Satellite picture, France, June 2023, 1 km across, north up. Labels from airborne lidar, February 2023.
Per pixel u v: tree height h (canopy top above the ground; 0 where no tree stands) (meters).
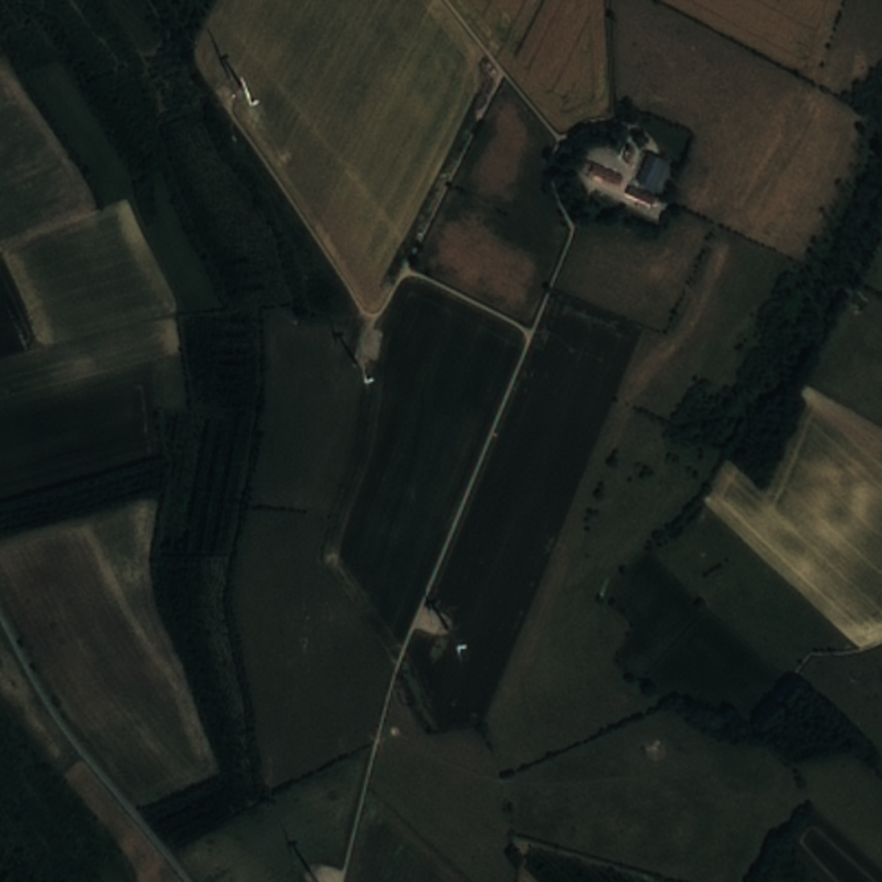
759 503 0
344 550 0
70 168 0
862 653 0
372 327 0
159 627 0
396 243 0
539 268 0
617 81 0
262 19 0
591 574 0
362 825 0
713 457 0
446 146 0
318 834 0
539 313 0
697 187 0
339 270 0
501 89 0
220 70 0
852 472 0
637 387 0
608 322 0
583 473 0
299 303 7
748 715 0
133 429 0
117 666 0
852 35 0
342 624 0
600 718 0
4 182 0
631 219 17
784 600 0
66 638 0
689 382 0
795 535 0
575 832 0
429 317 0
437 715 0
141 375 0
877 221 21
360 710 0
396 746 0
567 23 0
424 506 0
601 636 0
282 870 0
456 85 0
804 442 0
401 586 0
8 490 0
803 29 0
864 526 0
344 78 0
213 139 6
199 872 0
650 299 0
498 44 0
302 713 0
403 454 0
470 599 0
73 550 0
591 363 0
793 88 0
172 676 0
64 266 0
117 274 0
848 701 0
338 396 0
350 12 0
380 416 0
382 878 0
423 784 0
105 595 0
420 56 0
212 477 8
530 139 0
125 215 0
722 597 0
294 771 0
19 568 0
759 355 6
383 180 0
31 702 0
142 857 0
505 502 0
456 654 0
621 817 0
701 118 0
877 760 16
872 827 0
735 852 0
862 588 0
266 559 0
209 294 0
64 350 0
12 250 0
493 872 0
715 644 0
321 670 0
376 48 0
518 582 0
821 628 0
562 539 0
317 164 0
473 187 0
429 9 0
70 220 0
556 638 0
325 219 0
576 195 15
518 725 0
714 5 0
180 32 12
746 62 0
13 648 0
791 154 0
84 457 0
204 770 0
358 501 0
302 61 0
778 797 0
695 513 8
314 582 0
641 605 0
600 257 0
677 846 0
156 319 0
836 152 0
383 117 0
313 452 0
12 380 0
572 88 0
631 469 0
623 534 0
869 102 9
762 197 0
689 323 0
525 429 0
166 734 0
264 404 9
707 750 0
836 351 0
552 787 0
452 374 0
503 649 0
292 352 0
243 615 0
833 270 7
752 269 0
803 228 0
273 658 0
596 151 0
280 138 0
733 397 12
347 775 0
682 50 0
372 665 0
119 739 0
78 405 0
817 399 0
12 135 0
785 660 0
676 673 0
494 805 0
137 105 7
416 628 0
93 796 0
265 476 0
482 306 0
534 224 0
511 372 0
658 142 0
